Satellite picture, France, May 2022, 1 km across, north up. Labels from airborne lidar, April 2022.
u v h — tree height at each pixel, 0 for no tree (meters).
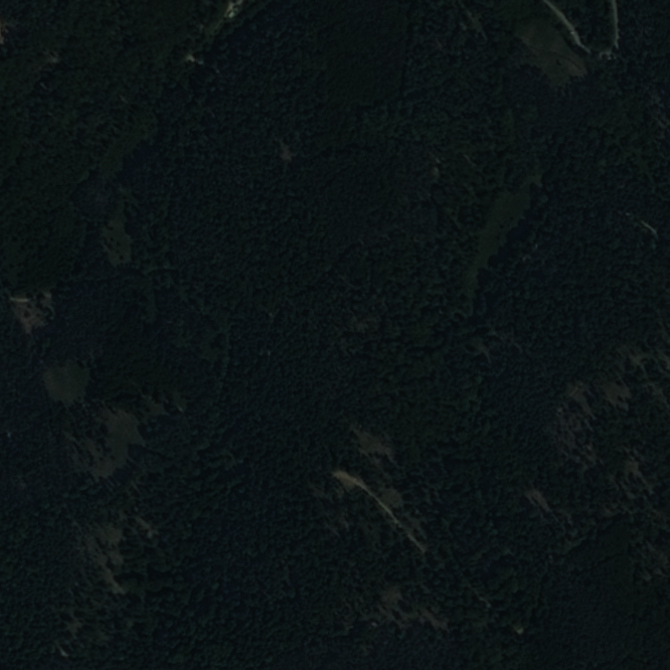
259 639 28
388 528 24
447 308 33
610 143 6
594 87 32
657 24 20
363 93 18
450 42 32
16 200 29
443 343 38
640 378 15
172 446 30
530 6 27
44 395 23
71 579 26
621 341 29
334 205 20
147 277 14
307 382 23
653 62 24
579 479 27
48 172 27
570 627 16
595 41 26
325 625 26
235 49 29
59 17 26
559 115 30
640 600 14
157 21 34
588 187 28
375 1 17
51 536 28
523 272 27
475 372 35
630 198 38
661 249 35
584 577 18
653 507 29
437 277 32
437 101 27
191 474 23
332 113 16
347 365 25
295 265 26
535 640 14
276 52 30
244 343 28
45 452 22
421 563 23
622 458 24
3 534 33
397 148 24
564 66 0
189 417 24
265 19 18
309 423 24
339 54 18
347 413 24
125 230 0
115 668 35
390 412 33
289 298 23
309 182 20
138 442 0
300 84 33
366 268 21
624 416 22
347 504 22
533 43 0
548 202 29
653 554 31
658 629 18
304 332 22
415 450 29
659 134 24
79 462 25
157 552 33
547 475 33
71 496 23
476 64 37
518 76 25
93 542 0
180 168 27
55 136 29
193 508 32
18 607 33
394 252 31
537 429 25
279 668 21
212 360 12
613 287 32
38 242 8
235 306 26
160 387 21
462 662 21
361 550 29
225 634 25
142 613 35
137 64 32
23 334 27
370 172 25
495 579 42
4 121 28
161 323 28
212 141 30
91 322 21
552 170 30
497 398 31
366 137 19
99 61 22
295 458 26
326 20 19
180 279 24
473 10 31
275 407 25
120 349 27
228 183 28
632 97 27
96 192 30
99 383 23
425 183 23
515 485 27
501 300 35
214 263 18
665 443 28
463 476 39
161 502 32
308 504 28
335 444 22
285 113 27
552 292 33
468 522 37
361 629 22
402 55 14
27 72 28
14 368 29
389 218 26
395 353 38
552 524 27
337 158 23
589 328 33
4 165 24
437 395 34
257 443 28
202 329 28
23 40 29
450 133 27
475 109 33
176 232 23
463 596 36
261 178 27
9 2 33
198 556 33
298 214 26
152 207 27
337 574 27
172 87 22
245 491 28
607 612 17
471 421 32
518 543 31
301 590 26
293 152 23
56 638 26
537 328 26
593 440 26
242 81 30
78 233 15
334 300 29
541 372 22
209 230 25
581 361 26
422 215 22
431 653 30
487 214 20
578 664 13
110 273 25
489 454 34
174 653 37
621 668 17
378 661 21
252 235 26
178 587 32
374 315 31
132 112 25
